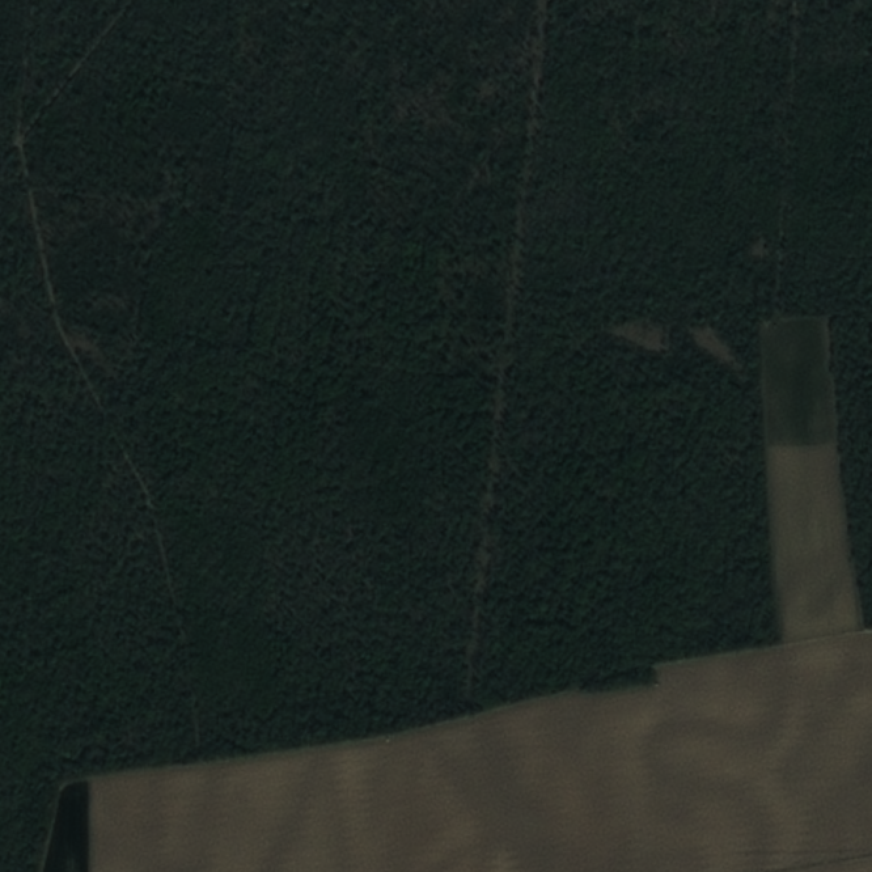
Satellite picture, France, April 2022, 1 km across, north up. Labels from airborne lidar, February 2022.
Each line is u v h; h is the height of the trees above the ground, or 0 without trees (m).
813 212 11
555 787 0
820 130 15
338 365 16
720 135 12
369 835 0
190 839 0
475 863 0
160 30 13
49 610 14
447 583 16
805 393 0
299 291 15
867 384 7
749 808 0
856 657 0
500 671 11
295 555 12
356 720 11
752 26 13
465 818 0
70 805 0
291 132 8
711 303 14
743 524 13
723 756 0
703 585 13
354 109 6
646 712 0
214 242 7
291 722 8
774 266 9
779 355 0
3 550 9
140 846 0
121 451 13
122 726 14
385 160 15
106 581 12
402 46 11
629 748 0
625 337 0
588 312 12
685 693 0
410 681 10
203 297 6
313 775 0
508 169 14
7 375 14
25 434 19
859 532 14
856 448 12
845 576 0
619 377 15
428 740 0
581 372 18
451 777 0
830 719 0
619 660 8
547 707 0
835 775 0
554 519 15
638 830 0
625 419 17
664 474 15
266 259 13
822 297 11
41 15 15
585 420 15
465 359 13
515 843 0
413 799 0
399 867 0
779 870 0
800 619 0
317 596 9
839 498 0
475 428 15
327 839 0
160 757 13
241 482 14
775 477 0
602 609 12
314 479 14
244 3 13
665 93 14
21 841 10
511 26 12
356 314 14
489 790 0
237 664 14
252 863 0
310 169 15
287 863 0
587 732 0
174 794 0
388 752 0
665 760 0
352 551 13
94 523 9
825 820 0
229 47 11
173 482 13
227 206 10
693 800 0
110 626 14
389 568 9
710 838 0
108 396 10
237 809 0
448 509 13
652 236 12
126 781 0
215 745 15
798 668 0
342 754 0
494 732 0
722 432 10
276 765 0
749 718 0
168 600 11
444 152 14
